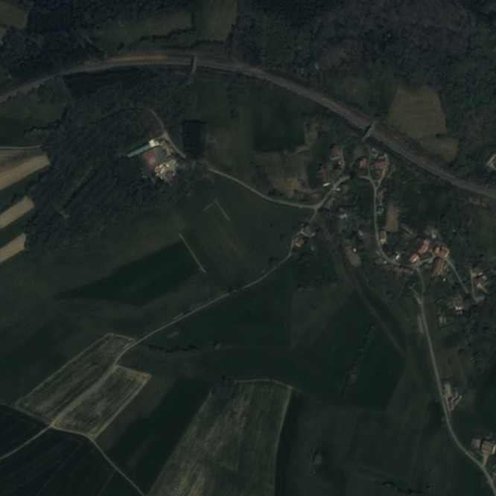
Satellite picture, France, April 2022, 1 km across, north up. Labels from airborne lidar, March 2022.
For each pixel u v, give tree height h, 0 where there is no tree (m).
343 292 0
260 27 27
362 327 0
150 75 16
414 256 0
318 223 0
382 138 0
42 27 23
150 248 0
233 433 0
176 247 0
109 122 17
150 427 0
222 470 0
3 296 0
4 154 0
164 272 0
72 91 16
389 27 30
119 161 12
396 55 23
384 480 0
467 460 0
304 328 0
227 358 0
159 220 0
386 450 0
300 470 0
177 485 0
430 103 0
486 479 0
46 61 35
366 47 13
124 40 0
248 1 26
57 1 17
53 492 0
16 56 27
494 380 0
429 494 0
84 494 0
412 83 18
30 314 0
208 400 0
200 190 0
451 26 26
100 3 29
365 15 25
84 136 17
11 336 0
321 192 20
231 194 0
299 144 0
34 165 0
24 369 0
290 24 18
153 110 16
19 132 0
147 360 0
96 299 0
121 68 0
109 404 0
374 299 0
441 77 31
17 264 0
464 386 0
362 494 0
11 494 0
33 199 13
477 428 0
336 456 0
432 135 0
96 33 18
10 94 0
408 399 0
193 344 0
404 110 0
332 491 0
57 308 0
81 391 0
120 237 0
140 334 0
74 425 0
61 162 19
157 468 0
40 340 0
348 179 0
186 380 0
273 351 0
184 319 0
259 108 0
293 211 0
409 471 0
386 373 0
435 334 0
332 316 0
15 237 0
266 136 0
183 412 0
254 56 26
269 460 0
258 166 7
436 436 0
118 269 0
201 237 0
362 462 0
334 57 32
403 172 0
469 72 21
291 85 0
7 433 0
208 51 23
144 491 0
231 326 0
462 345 0
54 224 19
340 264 0
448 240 10
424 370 0
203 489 0
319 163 0
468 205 0
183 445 0
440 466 0
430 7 28
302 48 23
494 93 22
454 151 0
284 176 0
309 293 0
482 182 22
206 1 0
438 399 0
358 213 11
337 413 0
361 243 20
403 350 0
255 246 0
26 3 18
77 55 29
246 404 0
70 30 21
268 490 0
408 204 0
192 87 10
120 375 0
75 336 0
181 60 0
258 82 21
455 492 0
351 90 0
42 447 0
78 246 11
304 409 0
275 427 0
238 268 0
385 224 0
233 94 14
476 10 31
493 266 0
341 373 0
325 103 0
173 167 0
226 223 0
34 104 0
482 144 0
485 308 0
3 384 0
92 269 0
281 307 0
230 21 0
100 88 18
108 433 0
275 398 0
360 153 0
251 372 0
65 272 0
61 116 0
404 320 0
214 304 0
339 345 0
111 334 0
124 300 0
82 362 0
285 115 0
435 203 0
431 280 0
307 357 0
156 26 0
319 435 0
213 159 0
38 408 0
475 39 23
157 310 0
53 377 0
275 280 0
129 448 0
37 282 0
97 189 16
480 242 0
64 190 18
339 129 16
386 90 0
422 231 0
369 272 11
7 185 0
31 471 0
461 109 27
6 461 0
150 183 15
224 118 0
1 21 0
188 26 0
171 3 28
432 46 23
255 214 0
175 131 17
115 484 0
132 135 14
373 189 0
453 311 0
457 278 0
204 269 0
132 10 20
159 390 0
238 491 0
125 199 15
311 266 0
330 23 32
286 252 0
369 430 0
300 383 0
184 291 0
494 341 0
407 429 0
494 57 0
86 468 0
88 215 14
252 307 0
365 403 0
